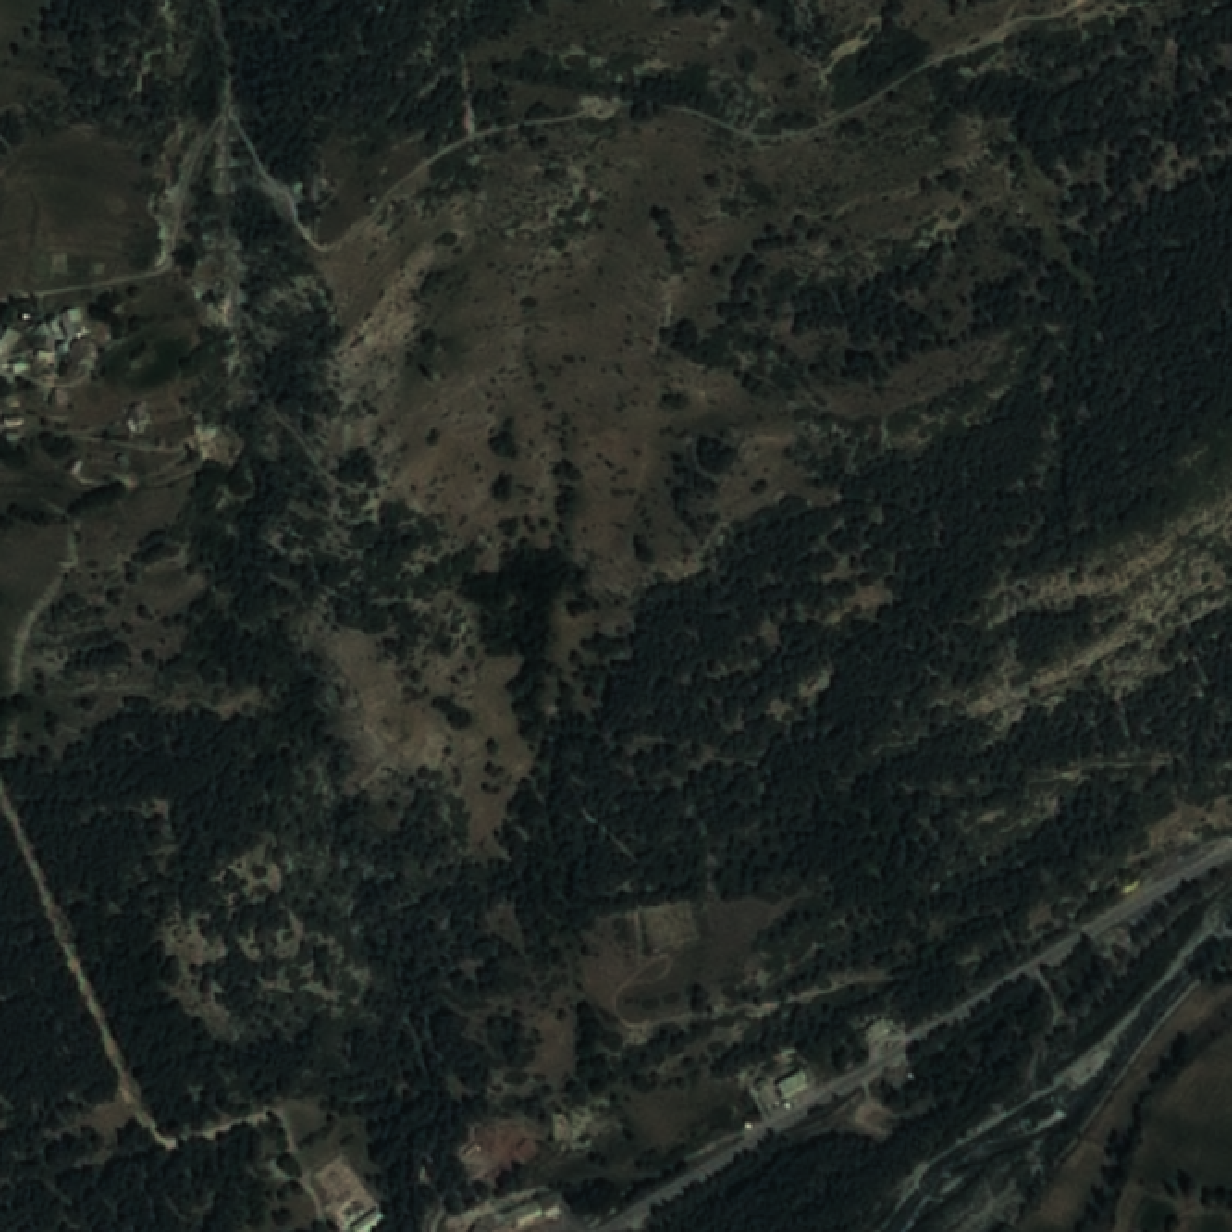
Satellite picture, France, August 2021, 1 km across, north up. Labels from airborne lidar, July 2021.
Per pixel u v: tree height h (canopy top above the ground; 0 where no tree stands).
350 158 0
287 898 11
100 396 0
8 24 0
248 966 18
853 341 6
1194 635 9
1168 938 13
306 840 15
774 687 12
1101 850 10
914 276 15
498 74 12
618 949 0
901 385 0
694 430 0
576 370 0
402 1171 17
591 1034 13
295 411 15
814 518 13
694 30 0
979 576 16
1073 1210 0
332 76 9
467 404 0
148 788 17
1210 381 16
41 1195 21
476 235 0
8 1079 15
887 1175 16
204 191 8
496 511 0
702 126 0
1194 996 0
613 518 0
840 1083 0
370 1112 14
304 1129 0
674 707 18
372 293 0
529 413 0
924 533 21
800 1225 13
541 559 12
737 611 12
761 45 0
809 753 19
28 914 16
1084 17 0
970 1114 6
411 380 0
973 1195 0
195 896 12
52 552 0
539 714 14
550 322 0
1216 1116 0
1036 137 12
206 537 7
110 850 17
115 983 18
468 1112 17
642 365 0
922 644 15
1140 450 13
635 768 13
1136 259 12
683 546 0
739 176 0
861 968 14
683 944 0
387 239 0
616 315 0
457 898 13
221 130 0
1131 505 10
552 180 7
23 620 0
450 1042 15
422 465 0
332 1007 0
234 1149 17
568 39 0
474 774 0
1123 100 13
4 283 0
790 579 15
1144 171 13
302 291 0
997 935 16
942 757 16
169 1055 21
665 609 9
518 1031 12
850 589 13
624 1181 0
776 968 0
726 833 14
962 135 0
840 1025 16
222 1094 17
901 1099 18
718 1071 11
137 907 19
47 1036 18
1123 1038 0
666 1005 0
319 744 9
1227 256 18
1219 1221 0
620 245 0
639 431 0
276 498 7
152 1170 23
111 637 8
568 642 0
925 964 14
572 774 11
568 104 0
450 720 9
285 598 15
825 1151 17
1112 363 7
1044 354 15
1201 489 0
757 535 13
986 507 14
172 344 0
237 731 16
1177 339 11
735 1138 0
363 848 9
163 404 0
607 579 0
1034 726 12
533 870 14
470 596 10
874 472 9
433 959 6
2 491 0
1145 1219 0
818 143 7
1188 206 12
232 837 17
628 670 16
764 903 0
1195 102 16
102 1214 21
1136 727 15
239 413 7
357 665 0
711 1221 15
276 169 9
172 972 16
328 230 0
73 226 0
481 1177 0
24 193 0
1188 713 13
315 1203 0
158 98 11
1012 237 11
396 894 11
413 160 0
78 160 0
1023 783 10
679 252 13
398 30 10
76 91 10
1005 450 11
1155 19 0
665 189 0
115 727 13
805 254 0
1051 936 13
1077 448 11
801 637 19
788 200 0
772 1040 12
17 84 0
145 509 0
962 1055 9
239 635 22
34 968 21
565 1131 0
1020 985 9
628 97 8
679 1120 0
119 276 0
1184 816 0
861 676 19
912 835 20
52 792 15
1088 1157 0
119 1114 0
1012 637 8
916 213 0
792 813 9
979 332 12
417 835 11
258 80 12
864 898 22
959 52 0
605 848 11
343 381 0
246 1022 11
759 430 0
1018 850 9
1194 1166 0
